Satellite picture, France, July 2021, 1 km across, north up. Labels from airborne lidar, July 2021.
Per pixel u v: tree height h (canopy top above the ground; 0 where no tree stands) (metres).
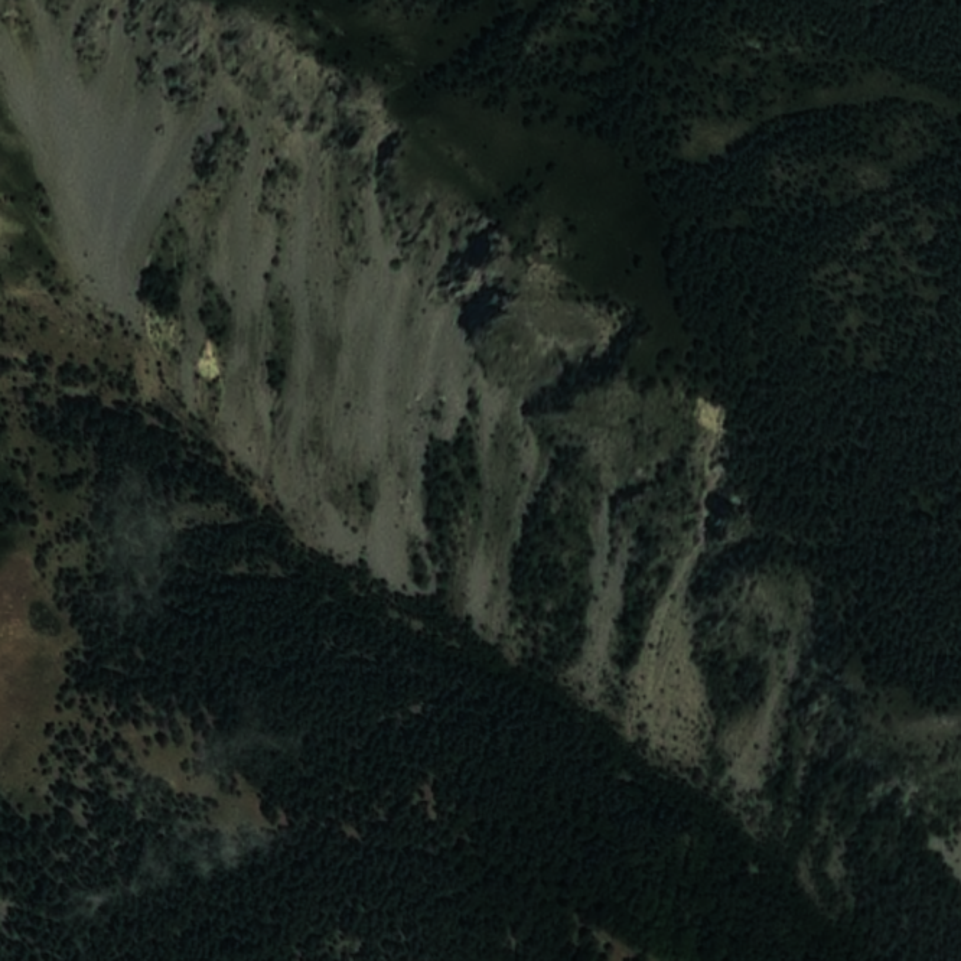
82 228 0
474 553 0
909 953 15
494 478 0
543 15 9
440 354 0
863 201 11
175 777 0
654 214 0
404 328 0
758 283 23
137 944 23
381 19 0
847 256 10
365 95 0
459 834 6
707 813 12
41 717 0
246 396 0
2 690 0
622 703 9
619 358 8
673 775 8
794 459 28
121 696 21
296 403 0
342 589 14
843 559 24
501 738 32
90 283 0
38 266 0
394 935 18
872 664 17
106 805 19
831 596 20
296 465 0
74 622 12
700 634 7
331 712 22
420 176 0
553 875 28
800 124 24
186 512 0
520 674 11
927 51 19
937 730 0
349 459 0
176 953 27
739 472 13
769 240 26
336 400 0
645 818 34
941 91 13
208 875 27
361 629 19
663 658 0
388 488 0
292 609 22
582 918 29
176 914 30
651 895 18
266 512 11
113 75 0
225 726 22
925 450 26
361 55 0
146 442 22
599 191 0
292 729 23
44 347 0
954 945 15
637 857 16
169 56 0
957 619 20
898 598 31
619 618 6
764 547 10
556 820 29
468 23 0
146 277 18
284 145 0
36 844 28
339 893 22
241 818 0
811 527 27
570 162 0
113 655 19
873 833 7
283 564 21
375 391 0
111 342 0
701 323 20
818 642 6
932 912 12
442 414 7
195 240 0
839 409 26
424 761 26
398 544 0
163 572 31
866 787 8
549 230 0
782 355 20
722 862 17
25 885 23
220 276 0
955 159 15
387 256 0
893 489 28
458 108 0
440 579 20
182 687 31
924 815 6
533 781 18
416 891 18
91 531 8
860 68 8
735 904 17
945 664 24
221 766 23
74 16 0
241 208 0
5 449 0
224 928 26
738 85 9
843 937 13
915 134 9
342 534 0
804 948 21
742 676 16
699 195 26
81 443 19
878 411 26
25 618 0
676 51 24
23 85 0
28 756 0
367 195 0
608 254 0
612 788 26
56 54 0
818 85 10
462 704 27
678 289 20
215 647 29
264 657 28
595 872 23
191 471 31
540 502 8
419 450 0
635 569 12
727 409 9
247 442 0
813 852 8
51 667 0
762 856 11
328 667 24
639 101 27
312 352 0
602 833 23
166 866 22
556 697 14
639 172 0
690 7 24
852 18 24
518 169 0
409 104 0
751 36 10
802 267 22
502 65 15
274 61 0
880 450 29
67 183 0
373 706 26
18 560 0
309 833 25
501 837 32
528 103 15
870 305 12
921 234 8
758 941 21
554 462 8
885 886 8
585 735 30
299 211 0
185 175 0
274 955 27
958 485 24
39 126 0
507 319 0
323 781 19
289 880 28
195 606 33
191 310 0
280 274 0
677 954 13
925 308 7
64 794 19
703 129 0
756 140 9
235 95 0
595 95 22
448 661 24
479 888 24
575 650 6
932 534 29
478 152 0
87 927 25
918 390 19
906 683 17
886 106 10
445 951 25
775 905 21
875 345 14
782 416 26
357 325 0
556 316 0
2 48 0
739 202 18
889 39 21
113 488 26
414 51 0
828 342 19
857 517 31
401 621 10
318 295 0
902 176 7
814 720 8
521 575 24
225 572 22
